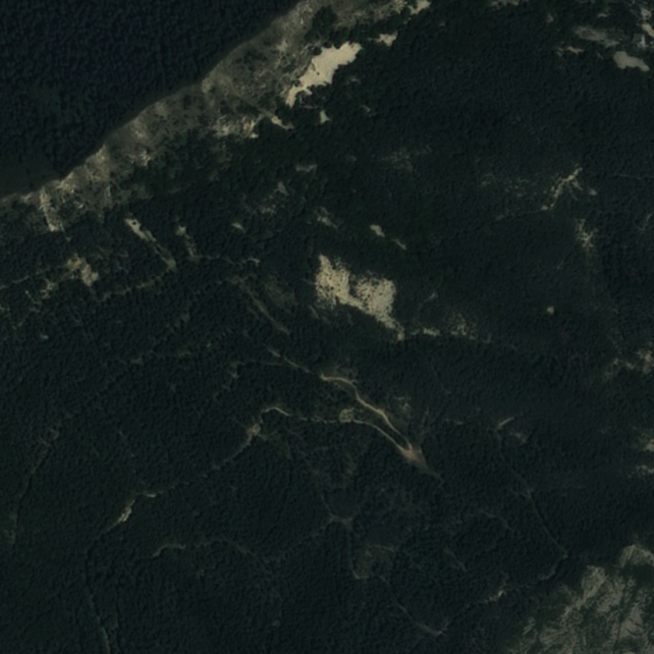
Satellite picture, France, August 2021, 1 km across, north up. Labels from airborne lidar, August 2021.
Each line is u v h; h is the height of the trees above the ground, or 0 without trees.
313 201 14
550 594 17
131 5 15
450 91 18
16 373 21
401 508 6
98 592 18
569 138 13
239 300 16
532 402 14
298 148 24
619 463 13
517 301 19
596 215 14
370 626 23
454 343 20
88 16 24
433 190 8
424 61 24
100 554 22
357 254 13
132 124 0
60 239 22
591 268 6
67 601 18
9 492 19
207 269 22
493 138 23
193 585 23
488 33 21
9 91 23
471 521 9
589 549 21
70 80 19
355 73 16
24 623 19
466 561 15
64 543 15
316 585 21
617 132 21
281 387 14
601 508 26
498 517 14
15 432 18
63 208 9
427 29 16
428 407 12
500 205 11
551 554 14
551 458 22
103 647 19
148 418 22
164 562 19
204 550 15
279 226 13
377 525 18
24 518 13
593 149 17
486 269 14
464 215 14
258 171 17
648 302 10
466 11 22
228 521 24
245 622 24
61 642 17
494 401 12
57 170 7
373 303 0
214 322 21
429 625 17
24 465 15
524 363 22
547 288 13
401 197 14
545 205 10
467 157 16
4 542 9
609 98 20
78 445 17
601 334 11
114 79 17
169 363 22
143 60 21
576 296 13
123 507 10
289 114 19
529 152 16
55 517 13
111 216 26
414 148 20
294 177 22
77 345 22
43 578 20
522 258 18
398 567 18
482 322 8
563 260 12
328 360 18
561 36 17
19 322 16
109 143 0
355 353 13
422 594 23
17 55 18
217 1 17
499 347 13
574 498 20
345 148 14
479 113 21
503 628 10
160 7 15
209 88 0
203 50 12
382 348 15
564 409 19
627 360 8
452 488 14
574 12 16
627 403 12
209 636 11
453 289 16
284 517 24
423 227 17
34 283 14
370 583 17
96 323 19
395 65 18
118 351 22
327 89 12
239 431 17
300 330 17
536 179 7
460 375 15
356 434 9
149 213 19
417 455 0
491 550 19
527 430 20
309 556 19
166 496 10
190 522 18
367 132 16
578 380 18
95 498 16
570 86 19
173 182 8
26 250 19
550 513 21
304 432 10
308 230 17
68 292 17
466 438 13
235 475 22
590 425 19
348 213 14
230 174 20
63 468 17
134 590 29
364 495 26
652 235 7
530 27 22
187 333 19
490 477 22
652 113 14
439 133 19
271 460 14
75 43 18
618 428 8
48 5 16
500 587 17
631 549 11
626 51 8
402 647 14
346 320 11
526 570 19
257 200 14
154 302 14
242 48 0
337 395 13
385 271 13
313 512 21
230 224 10
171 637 24
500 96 21
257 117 8
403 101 25
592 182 15
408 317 10
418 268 18
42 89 13
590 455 23
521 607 17
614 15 8
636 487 21
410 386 11
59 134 7
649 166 10
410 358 19
